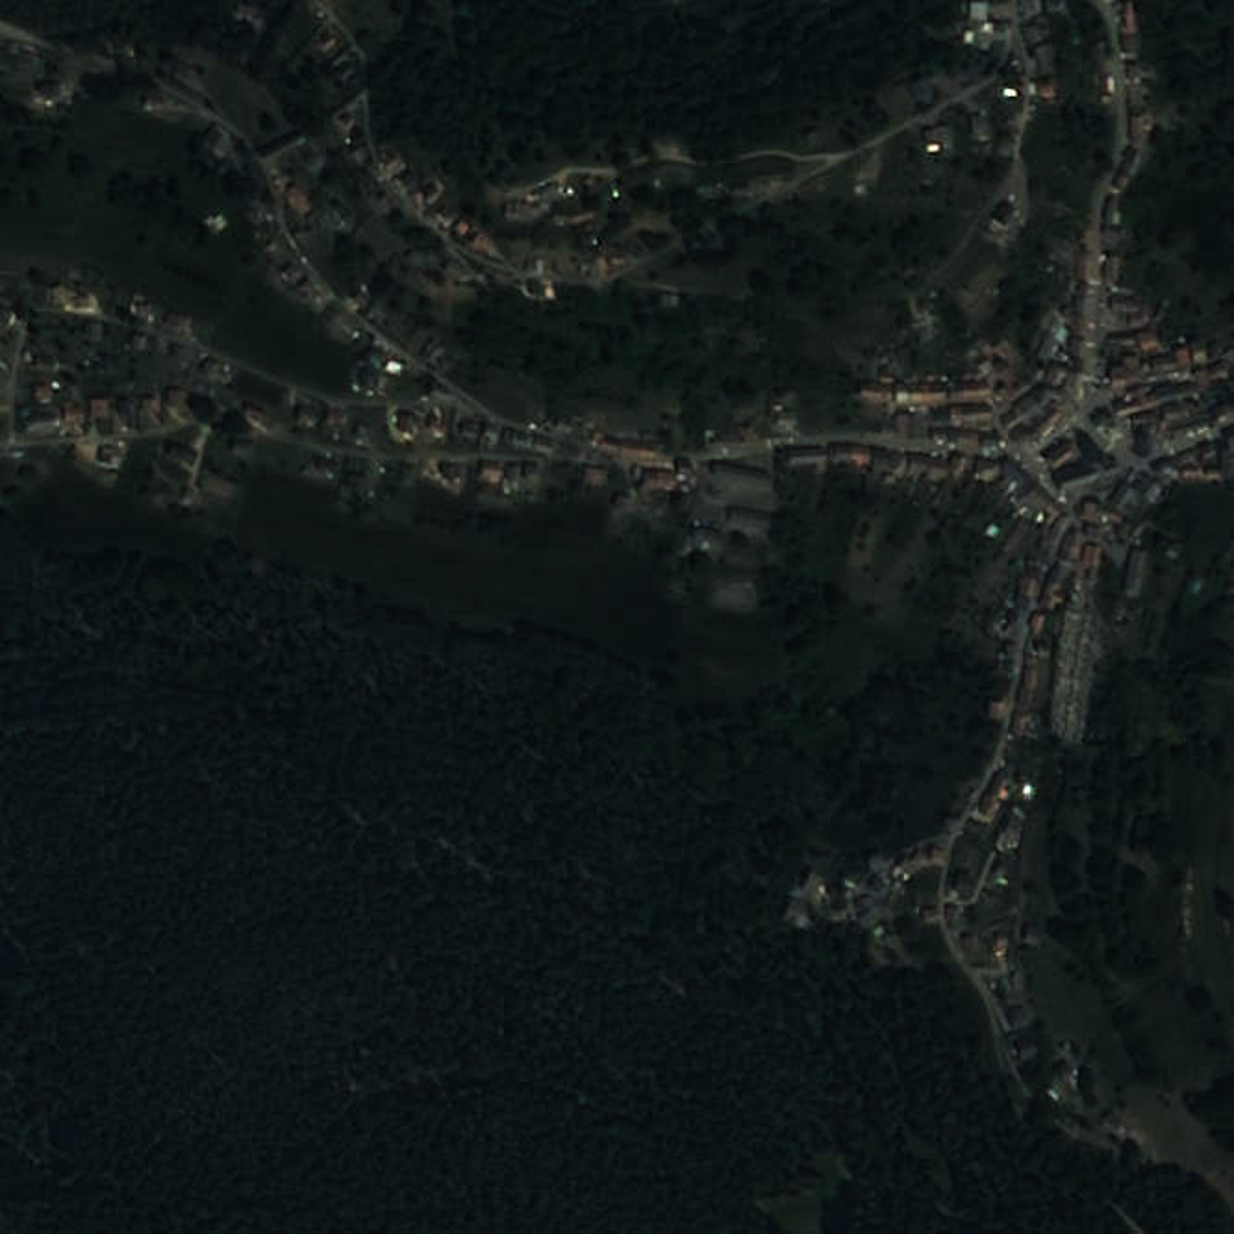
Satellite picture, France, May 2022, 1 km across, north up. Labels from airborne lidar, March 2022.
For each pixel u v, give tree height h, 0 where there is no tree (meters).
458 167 15
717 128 17
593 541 0
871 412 0
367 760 34
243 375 0
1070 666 0
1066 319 0
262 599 26
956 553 0
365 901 30
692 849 33
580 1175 27
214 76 0
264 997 28
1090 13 8
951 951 0
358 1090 26
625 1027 29
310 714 25
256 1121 27
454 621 0
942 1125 27
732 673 0
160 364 0
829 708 11
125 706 35
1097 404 0
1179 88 9
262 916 26
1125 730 8
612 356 14
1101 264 0
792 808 26
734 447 0
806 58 18
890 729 21
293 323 0
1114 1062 0
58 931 30
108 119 0
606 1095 34
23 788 26
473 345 16
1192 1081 0
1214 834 0
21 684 27
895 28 17
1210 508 0
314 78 17
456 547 0
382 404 0
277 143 8
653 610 0
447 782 36
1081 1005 0
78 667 32
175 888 25
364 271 0
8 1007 30
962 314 7
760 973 33
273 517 0
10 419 0
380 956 30
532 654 25
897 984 22
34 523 0
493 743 22
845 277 0
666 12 0
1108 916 8
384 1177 23
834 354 0
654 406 0
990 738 18
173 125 0
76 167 19
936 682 12
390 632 27
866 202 0
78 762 30
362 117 0
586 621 0
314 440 0
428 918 28
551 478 0
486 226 8
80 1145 34
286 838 26
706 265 19
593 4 24
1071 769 12
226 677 21
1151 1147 0
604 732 22
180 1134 25
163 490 0
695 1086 34
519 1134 27
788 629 9
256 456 0
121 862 31
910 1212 32
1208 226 0
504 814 33
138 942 31
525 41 20
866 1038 31
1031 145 0
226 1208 29
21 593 20
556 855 23
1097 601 0
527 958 30
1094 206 0
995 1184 35
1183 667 7
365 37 8
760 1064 26
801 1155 31
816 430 0
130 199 21
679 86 19
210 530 0
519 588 0
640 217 0
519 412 0
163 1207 25
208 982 28
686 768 26
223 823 28
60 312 0
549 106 18
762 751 29
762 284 18
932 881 0
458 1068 28
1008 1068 0
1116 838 9
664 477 0
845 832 0
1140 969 13
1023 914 0
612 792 32
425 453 0
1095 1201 29
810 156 0
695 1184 29
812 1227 0
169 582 23
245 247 0
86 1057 31
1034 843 0
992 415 0
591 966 30
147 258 0
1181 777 0
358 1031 26
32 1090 37
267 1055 27
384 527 0
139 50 21
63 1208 26
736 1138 26
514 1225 25
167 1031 28
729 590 0
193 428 0
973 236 0
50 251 0
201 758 28
